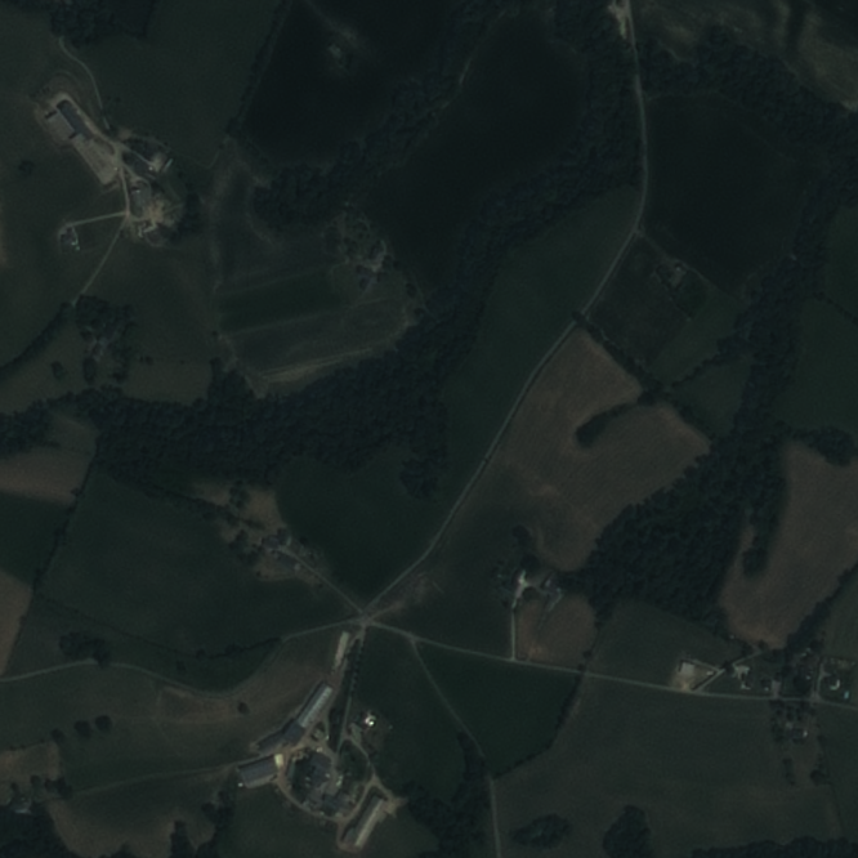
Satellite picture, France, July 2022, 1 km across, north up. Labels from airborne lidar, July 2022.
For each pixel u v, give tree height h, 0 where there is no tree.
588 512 0
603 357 0
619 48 23
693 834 0
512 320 0
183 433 35
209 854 9
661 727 0
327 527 0
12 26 0
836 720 0
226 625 0
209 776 0
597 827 0
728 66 20
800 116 22
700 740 0
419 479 20
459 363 14
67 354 0
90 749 0
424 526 0
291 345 0
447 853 24
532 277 0
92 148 0
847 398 0
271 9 0
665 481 0
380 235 9
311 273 0
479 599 0
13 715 0
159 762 0
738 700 0
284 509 0
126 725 0
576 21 28
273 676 0
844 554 0
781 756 0
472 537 0
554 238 0
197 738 0
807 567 0
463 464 0
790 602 0
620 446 0
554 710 0
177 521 0
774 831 0
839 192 23
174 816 0
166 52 0
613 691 0
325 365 0
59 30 22
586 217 0
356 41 0
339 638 0
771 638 0
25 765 0
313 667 0
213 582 0
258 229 0
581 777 0
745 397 8
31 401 0
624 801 0
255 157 14
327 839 0
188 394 0
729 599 0
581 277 0
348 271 0
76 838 0
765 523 24
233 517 18
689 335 0
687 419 17
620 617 0
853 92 0
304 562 0
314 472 0
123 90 0
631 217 0
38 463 0
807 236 19
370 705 0
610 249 0
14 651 0
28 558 0
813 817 0
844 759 0
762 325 28
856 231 0
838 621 0
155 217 0
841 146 24
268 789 0
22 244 0
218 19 0
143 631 0
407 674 0
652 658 0
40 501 0
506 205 27
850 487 0
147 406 16
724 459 24
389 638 0
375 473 0
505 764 0
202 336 0
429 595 0
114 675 0
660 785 0
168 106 0
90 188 0
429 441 20
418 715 0
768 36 0
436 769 0
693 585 12
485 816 0
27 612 0
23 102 0
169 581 0
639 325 0
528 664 0
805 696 10
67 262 0
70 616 0
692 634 0
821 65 0
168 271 0
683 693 0
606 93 25
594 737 0
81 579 0
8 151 0
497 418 0
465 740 15
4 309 0
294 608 0
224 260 0
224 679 0
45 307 0
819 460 0
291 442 28
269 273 0
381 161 18
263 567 0
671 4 0
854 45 0
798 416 0
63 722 0
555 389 0
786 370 23
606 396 0
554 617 0
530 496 0
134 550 0
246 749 0
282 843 0
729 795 0
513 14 15
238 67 0
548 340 0
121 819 0
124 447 8
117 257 0
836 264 0
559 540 0
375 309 0
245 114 6
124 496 0
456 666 0
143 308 0
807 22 0
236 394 23
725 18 0
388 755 0
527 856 0
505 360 0
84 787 0
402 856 0
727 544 19
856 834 0
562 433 0
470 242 18
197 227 16
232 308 0
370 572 0
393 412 18
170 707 0
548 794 0
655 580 12
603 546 17
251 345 0
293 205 25
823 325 0
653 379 16
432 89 25
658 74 21
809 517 0
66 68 0
